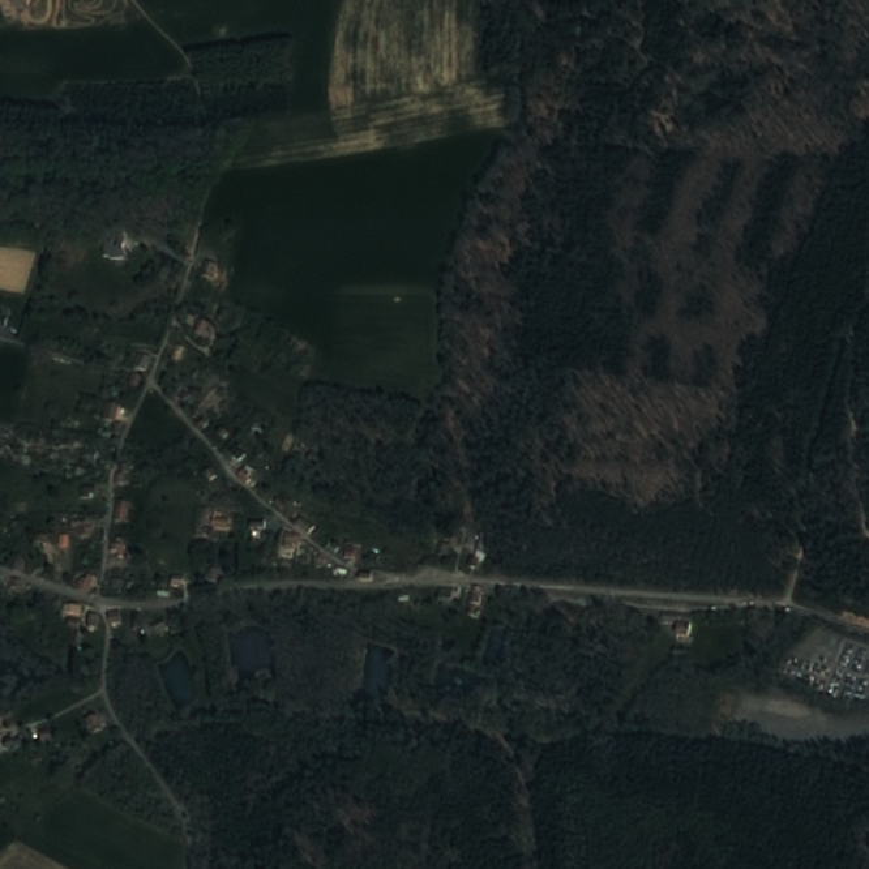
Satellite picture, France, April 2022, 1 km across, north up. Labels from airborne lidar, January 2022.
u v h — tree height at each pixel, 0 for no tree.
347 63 0
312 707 18
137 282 9
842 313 23
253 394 0
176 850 0
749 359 22
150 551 0
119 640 0
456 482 16
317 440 16
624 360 17
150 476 16
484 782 17
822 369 28
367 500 25
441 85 0
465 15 0
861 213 27
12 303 0
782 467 24
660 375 17
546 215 17
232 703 23
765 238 17
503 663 15
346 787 20
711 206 16
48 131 24
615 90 12
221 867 6
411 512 21
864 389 18
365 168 0
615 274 17
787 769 23
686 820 12
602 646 22
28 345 0
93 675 15
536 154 35
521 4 27
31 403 0
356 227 0
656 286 16
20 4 0
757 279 15
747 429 21
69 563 0
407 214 0
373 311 0
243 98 12
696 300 14
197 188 25
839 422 21
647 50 7
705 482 9
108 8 0
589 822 12
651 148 17
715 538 16
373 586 0
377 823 16
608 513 13
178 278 13
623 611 23
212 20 0
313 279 0
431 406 6
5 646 26
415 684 24
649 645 14
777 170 17
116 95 9
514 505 22
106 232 22
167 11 0
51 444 8
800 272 25
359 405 21
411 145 0
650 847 14
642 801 13
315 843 26
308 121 0
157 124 9
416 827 15
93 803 0
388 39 0
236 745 10
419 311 0
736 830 10
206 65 19
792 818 15
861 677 0
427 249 0
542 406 22
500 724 27
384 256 0
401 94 0
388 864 12
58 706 0
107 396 10
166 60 0
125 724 6
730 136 30
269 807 20
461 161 0
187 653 0
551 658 21
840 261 30
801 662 0
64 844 0
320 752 12
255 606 25
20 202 28
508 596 20
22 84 0
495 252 32
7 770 0
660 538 13
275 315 0
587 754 20
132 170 27
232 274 0
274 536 7
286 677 21
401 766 12
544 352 16
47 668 23
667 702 20
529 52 18
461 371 26
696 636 0
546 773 11
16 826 0
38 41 0
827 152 13
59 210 30
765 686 23
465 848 17
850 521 22
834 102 30
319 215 0
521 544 15
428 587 0
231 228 11
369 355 0
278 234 0
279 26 0
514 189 14
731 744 11
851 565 15
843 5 28
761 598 17
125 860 0
